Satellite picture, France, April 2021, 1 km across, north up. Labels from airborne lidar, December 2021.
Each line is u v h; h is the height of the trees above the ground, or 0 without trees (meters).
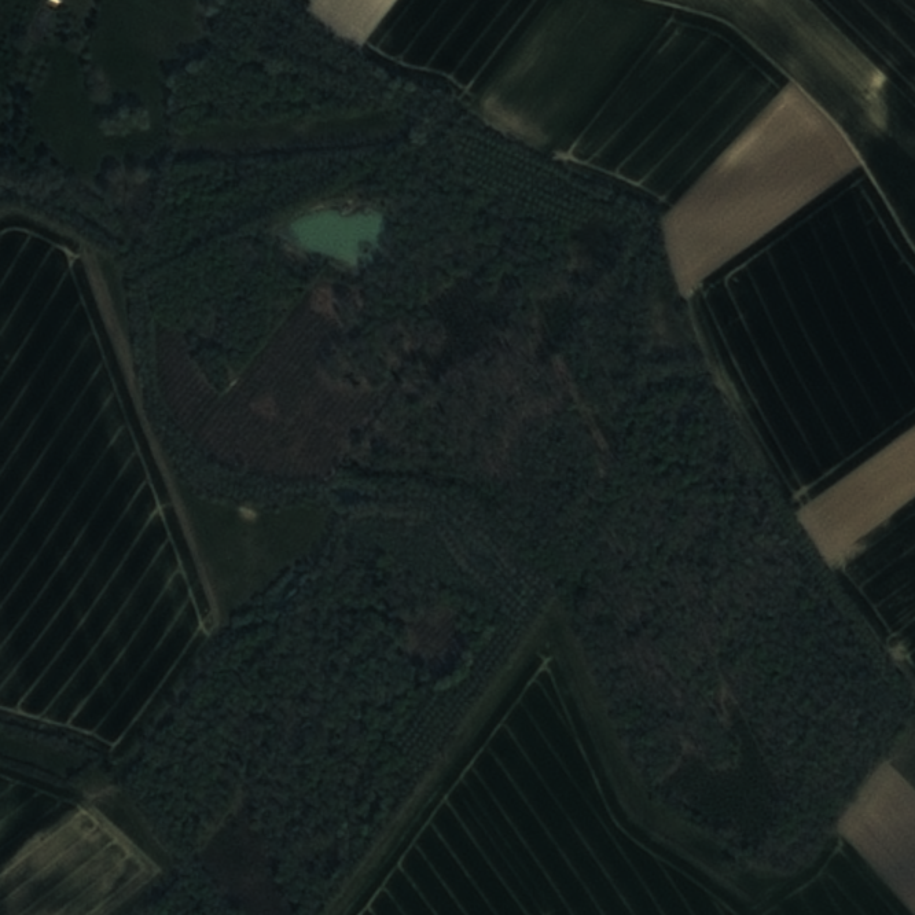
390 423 19
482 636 23
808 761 23
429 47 0
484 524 15
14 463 0
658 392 0
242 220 13
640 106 0
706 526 23
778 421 0
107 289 0
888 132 0
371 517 12
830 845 16
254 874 0
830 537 0
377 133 0
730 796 7
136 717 0
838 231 0
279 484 17
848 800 20
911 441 0
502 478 24
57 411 0
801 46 0
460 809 0
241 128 0
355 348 23
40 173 21
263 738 28
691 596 22
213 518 0
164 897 17
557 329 8
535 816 0
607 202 15
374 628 21
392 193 17
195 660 0
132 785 18
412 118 16
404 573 22
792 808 23
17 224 0
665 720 19
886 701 22
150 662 0
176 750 24
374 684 27
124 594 0
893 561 0
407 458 14
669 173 0
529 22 0
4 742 0
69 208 12
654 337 17
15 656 0
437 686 24
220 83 0
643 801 0
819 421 0
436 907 0
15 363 0
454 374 18
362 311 28
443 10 0
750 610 13
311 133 0
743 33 0
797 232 0
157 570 0
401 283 21
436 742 23
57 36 6
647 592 24
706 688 23
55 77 0
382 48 0
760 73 0
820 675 25
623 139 0
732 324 0
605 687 23
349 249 0
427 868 0
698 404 0
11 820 0
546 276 26
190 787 21
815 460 0
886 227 0
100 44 0
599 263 0
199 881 22
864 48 0
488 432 18
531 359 22
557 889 0
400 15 0
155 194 19
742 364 0
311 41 0
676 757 21
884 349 0
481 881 0
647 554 25
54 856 0
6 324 0
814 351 0
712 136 0
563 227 21
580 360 17
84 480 0
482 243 11
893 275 0
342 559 25
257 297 23
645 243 0
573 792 0
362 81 0
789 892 0
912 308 0
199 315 19
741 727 7
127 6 0
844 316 0
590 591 21
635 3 0
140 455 0
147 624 0
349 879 14
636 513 24
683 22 0
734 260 0
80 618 0
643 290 0
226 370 22
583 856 0
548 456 19
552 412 21
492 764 0
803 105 0
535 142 0
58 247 0
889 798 0
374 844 16
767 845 18
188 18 0
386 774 0
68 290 0
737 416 0
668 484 21
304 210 0
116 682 0
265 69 0
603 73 0
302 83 0
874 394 0
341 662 23
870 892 0
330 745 0
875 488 0
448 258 29
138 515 0
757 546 21
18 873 0
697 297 0
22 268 0
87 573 0
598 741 0
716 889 0
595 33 0
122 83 0
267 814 0
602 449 21
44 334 0
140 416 0
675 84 0
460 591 18
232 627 7
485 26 0
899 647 0
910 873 0
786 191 0
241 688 23
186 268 20
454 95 13
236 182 0
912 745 0
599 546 26
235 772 24
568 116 0
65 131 0
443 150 0
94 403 0
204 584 0
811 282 0
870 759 17
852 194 0
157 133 0
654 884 0
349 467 6
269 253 24
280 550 0
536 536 18
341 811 0
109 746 0
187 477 14
